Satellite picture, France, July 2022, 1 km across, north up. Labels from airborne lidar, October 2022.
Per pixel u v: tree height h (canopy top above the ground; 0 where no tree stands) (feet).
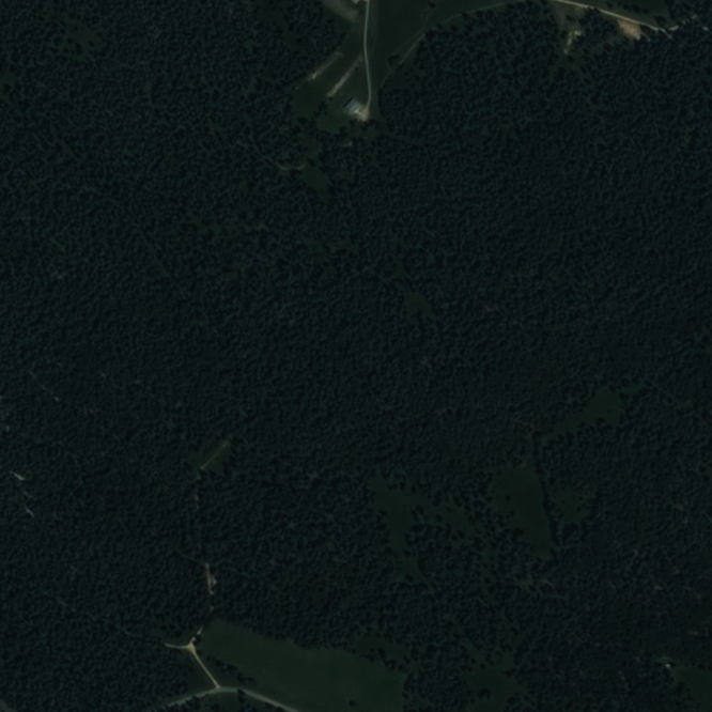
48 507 67
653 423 64
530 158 57
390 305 60
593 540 63
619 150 73
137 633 78
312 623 61
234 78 67
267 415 67
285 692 0
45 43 71
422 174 52
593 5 0
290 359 64
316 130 39
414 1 0
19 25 54
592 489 30
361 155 49
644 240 61
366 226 72
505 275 78
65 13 53
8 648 76
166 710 0
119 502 68
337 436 65
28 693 77
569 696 79
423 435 82
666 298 47
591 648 77
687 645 64
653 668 82
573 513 0
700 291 60
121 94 80
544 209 75
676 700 65
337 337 94
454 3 0
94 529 62
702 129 83
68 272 51
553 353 63
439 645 61
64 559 64
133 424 74
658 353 42
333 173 80
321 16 28
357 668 0
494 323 68
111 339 64
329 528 69
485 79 51
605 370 52
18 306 64
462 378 65
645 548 82
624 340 46
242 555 77
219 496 83
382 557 55
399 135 35
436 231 74
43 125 49
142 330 84
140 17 27
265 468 70
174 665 34
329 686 0
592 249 34
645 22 0
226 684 0
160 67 62
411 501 0
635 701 80
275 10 24
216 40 73
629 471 60
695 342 64
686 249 33
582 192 71
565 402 76
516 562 86
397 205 60
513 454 46
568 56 0
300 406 70
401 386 47
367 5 0
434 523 0
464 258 42
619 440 73
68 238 65
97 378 81
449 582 85
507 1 0
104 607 58
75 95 65
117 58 65
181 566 55
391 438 63
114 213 52
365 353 76
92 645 85
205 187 57
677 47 62
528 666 63
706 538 61
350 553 86
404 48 0
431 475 52
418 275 74
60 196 79
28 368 72
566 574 51
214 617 31
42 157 60
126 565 68
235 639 0
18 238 48
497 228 37
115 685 86
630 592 78
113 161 82
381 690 0
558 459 68
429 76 33
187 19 57
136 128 75
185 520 81
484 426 60
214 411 73
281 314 90
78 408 45
